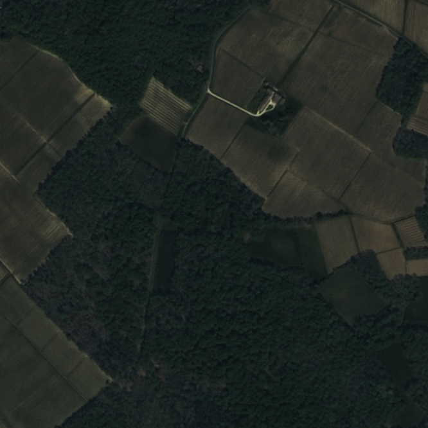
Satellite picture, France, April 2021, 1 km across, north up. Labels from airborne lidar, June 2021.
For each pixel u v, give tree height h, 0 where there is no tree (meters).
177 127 0
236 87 0
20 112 0
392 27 0
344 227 0
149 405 15
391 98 14
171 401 17
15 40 0
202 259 21
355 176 0
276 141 0
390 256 0
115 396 25
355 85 0
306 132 0
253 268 24
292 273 15
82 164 24
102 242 15
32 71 0
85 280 19
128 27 22
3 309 0
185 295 7
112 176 18
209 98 0
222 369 26
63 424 0
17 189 0
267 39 0
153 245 20
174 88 15
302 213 0
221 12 20
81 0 18
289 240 0
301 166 0
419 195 0
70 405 0
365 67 0
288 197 0
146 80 21
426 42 0
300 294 18
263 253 0
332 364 23
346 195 0
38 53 0
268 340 22
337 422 8
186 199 22
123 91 17
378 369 22
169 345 15
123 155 18
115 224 16
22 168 0
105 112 0
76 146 0
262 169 0
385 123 0
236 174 13
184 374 6
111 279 11
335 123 0
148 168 12
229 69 0
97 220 15
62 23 20
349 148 0
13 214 0
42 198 17
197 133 0
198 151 21
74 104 0
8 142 0
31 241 0
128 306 24
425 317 0
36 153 0
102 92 13
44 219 0
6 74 0
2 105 0
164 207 21
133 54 20
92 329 11
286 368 10
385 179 0
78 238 15
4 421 0
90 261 11
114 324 23
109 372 18
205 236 23
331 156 0
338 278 0
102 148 15
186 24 18
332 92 0
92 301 22
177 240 8
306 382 23
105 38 19
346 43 0
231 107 0
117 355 21
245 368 16
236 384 21
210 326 23
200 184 16
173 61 21
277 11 0
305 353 23
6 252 0
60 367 0
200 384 12
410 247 0
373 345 22
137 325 16
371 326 23
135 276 19
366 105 0
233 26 0
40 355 0
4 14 18
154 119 0
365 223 0
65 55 25
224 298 23
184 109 0
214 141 0
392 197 0
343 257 0
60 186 21
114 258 18
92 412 16
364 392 24
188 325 12
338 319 22
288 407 26
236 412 19
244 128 0
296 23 0
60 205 19
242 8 14
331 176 0
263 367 17
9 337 0
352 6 0
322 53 0
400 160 0
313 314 22
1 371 0
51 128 0
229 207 23
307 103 0
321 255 0
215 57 0
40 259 0
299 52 0
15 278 0
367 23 0
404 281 21
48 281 15
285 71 0
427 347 25
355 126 0
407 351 20
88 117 0
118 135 20
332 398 22
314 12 0
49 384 0
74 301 13
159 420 16
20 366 0
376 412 26
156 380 16
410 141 21
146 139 0
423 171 0
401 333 17
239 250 21
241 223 24
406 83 24
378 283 24
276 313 21
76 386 0
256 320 27
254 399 20
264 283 22
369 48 0
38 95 0
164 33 22
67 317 9
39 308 14
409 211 0
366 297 0
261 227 23
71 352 0
